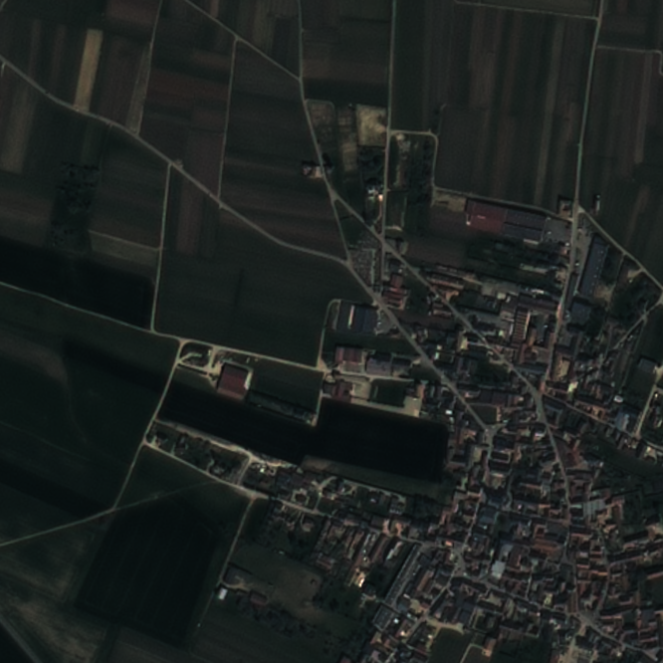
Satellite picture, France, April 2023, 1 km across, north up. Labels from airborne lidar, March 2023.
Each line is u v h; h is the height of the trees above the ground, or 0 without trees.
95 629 0
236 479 0
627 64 0
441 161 0
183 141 0
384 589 0
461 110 0
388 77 0
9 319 0
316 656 0
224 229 0
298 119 0
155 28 0
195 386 0
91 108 0
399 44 0
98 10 0
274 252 0
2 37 0
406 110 0
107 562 0
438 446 0
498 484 0
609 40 0
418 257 0
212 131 0
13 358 0
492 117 0
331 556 10
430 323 0
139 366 0
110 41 0
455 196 0
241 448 0
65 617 0
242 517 0
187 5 0
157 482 0
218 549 0
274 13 0
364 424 0
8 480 0
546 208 0
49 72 0
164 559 0
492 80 0
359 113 0
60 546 0
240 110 0
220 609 0
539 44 0
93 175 11
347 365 0
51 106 0
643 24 0
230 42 0
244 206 0
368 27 0
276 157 0
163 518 0
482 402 0
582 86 0
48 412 0
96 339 0
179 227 0
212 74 0
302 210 0
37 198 0
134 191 0
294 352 0
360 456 0
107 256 0
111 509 0
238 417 0
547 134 0
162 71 0
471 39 0
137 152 0
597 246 0
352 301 0
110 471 0
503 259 0
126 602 0
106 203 0
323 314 0
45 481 0
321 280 0
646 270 0
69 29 0
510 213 0
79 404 0
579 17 0
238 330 0
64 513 0
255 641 0
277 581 0
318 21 0
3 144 0
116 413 0
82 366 0
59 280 0
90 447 0
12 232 0
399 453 0
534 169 0
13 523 0
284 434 0
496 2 0
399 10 0
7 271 0
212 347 0
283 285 0
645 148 0
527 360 0
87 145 0
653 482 0
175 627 0
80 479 0
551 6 0
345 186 0
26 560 0
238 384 0
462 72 0
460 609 0
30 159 0
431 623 0
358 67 0
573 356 0
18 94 0
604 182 0
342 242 0
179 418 0
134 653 0
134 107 0
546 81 0
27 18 0
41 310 0
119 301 0
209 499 0
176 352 0
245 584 0
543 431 0
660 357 0
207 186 0
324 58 0
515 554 0
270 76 0
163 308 0
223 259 0
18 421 0
